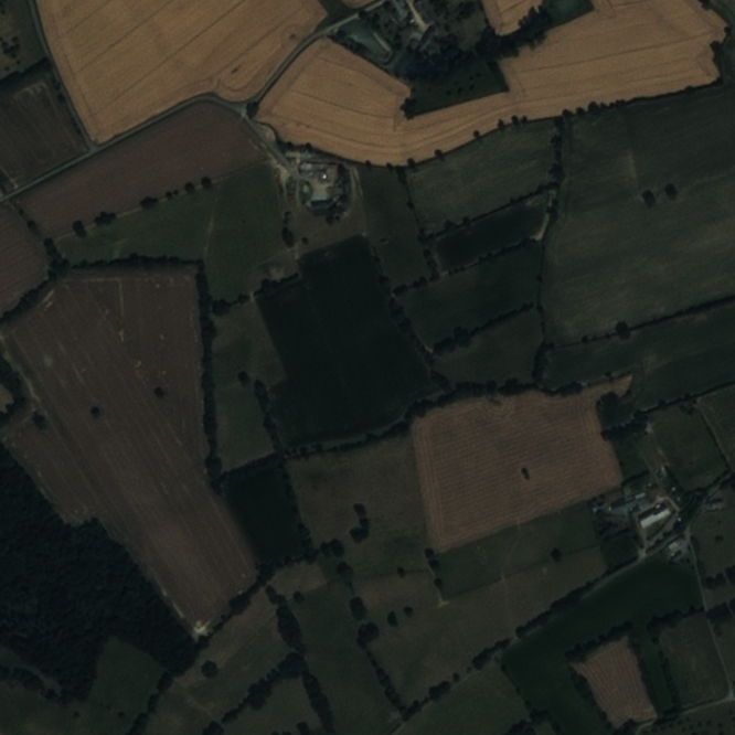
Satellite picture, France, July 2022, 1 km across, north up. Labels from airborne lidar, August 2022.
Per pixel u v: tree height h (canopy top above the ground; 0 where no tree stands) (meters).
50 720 0
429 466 0
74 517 0
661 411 6
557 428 0
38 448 0
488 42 25
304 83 0
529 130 0
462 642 0
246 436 0
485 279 0
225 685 0
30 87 0
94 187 0
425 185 0
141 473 0
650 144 0
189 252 0
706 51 0
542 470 0
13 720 0
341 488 0
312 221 0
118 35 0
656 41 0
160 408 0
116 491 0
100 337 0
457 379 0
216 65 0
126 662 0
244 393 0
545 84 0
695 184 0
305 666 16
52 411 0
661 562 0
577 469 0
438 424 0
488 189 0
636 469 0
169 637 19
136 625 18
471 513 0
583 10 0
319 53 0
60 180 0
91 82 0
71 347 0
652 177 0
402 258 0
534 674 0
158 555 0
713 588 13
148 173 0
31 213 0
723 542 7
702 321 0
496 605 0
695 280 0
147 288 0
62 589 23
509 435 0
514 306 0
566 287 0
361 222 0
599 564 0
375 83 0
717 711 0
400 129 0
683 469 0
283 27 0
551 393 10
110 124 0
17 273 0
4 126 0
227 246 0
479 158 0
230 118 0
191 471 0
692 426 0
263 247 0
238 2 0
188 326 0
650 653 0
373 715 0
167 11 0
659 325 9
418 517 0
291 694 0
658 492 0
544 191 13
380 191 0
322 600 0
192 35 0
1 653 0
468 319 0
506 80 7
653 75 0
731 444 0
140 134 0
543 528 0
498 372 0
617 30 0
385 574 0
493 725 0
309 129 0
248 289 0
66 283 0
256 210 0
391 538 0
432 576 0
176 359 0
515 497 0
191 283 0
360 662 0
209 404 12
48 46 0
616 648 0
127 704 0
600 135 0
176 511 0
